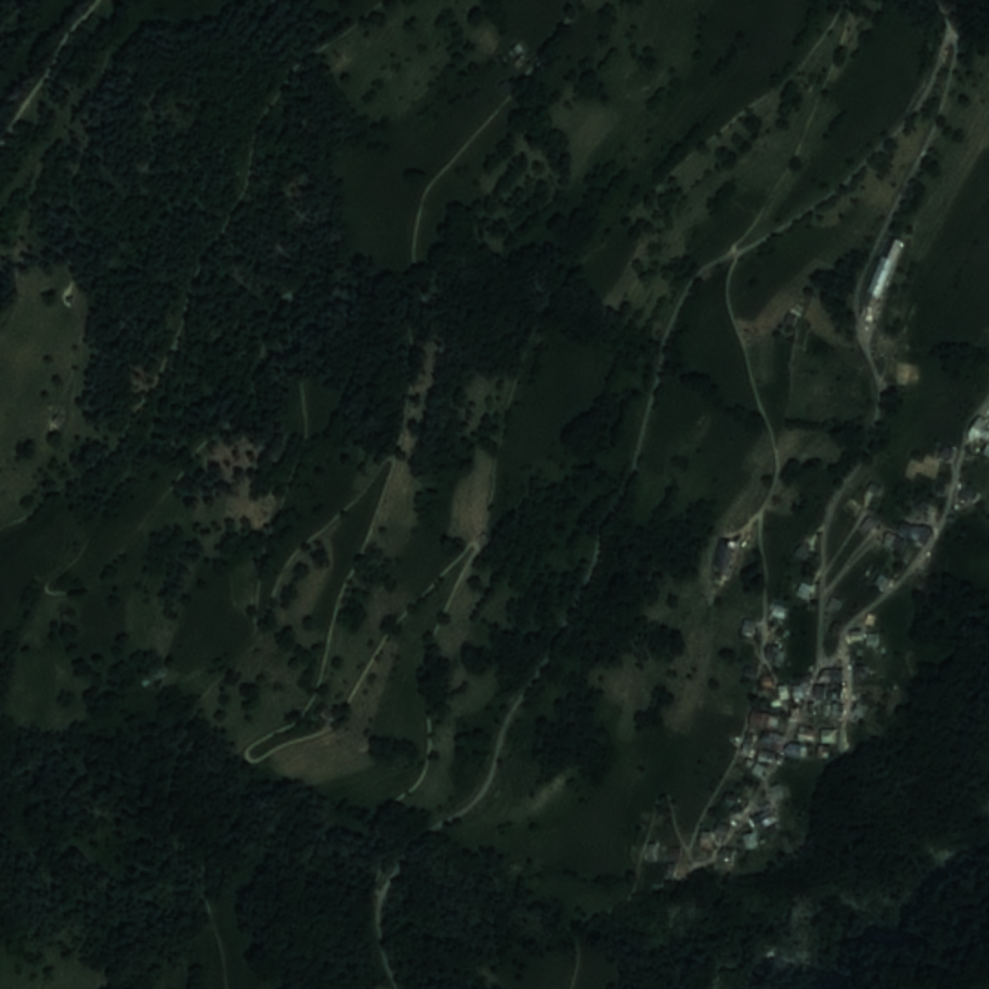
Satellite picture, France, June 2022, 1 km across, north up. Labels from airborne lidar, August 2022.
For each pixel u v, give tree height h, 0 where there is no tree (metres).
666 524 15
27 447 17
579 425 17
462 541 9
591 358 0
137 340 12
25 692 0
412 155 0
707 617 0
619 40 0
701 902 13
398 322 21
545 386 0
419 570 0
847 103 0
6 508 0
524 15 0
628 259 0
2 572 0
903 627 0
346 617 16
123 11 24
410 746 17
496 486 0
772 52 0
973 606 31
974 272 0
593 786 8
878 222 10
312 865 16
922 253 0
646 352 26
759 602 0
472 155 0
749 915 19
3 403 0
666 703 14
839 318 20
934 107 8
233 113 11
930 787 23
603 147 0
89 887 12
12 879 19
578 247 28
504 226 20
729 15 0
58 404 0
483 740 17
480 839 0
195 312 19
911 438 0
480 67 12
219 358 19
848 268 20
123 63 19
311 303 29
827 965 18
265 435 28
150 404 13
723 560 0
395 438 18
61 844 13
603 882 12
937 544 0
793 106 10
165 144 17
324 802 19
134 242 15
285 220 20
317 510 11
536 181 16
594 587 13
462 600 0
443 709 22
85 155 8
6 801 17
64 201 10
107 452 11
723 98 0
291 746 0
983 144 0
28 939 17
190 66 20
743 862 8
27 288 0
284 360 30
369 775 0
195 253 15
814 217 11
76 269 18
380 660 8
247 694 15
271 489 16
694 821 0
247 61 25
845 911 11
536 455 0
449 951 31
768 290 0
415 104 7
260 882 25
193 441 17
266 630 14
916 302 0
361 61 0
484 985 16
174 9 0
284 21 20
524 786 0
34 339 0
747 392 0
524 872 10
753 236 0
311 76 26
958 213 0
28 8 24
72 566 0
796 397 0
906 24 0
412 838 13
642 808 0
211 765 21
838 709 0
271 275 20
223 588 0
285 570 0
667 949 27
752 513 0
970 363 11
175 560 15
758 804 0
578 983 0
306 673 10
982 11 16
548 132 17
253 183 12
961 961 31
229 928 0
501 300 20
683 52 0
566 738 25
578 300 23
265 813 19
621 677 0
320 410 0
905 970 36
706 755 0
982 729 27
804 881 23
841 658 0
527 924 19
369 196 0
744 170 0
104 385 22
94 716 16
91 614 0
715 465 0
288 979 19
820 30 7
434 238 0
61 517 0
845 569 0
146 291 19
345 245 20
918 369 0
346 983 32
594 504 11
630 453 0
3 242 11
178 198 15
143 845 20
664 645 25
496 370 22
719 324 0
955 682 28
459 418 13
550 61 21
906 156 0
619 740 0
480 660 28
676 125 0
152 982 15
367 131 14
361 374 24
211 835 18
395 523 0
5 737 7
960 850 12
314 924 27
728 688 0
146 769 27
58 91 21
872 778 24
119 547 0
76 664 16
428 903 24
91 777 13
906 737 9
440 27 14
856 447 18
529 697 12
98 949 14
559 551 10
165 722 12
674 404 0
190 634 0
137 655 14
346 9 11
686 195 10
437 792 0
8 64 19
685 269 16
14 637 12
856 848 19
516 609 17
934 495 9
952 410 0
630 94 0
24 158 12
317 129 22
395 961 14
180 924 24
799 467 18
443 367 23
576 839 0
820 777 7
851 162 13
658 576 18
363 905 30
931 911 40
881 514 7
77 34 9
